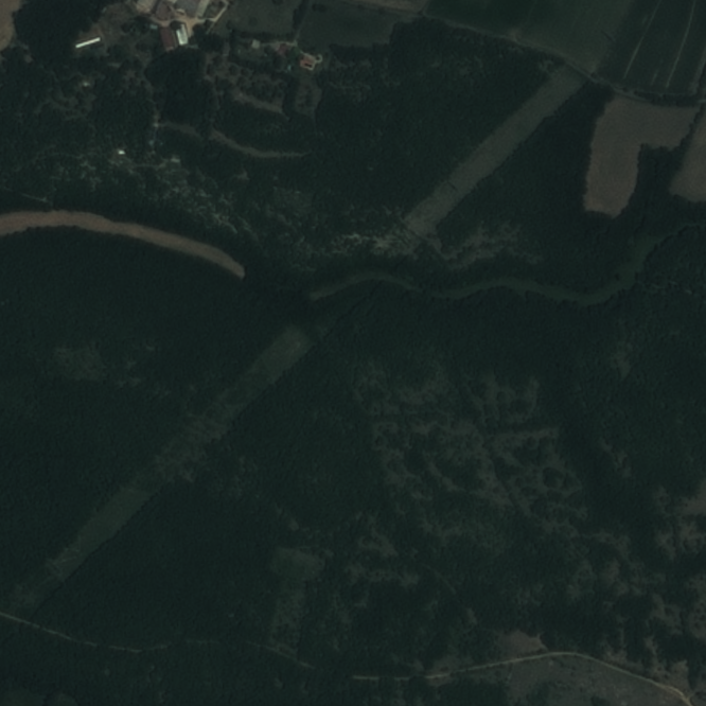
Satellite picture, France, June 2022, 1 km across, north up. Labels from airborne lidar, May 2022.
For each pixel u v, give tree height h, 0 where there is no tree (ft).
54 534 38
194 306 33
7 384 21
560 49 0
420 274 37
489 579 19
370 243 19
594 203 0
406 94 32
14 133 42
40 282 31
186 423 31
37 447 23
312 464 29
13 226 0
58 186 28
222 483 20
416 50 24
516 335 38
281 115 30
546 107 0
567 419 40
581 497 26
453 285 46
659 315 40
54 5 56
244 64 24
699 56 0
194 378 29
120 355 27
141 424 26
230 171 23
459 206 26
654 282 49
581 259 29
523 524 31
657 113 0
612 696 0
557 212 37
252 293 46
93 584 35
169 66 41
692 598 27
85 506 33
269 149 32
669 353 34
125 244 37
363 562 21
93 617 40
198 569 39
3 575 34
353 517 18
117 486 27
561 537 24
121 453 32
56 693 30
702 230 53
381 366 22
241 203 27
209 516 32
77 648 35
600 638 26
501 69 32
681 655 28
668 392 38
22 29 49
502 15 0
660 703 0
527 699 21
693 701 0
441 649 32
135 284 34
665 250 44
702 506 0
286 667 33
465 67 18
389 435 24
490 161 0
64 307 34
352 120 40
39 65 36
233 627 31
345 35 0
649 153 39
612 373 33
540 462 28
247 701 36
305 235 18
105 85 28
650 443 28
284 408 34
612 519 21
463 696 30
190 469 20
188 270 33
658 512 20
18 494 23
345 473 28
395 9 0
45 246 34
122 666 33
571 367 37
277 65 32
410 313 28
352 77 33
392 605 30
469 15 0
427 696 27
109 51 37
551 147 39
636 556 22
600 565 31
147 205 32
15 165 26
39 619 35
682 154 33
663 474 34
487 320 39
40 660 38
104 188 24
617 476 25
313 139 30
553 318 37
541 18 0
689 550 25
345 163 30
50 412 22
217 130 24
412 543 35
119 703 27
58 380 24
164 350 26
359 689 31
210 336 35
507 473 22
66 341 34
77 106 32
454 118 30
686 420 28
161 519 33
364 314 21
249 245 26
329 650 23
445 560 23
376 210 24
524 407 30
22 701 0
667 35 0
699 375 42
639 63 0
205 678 26
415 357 19
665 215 38
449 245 22
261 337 35
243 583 32
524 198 28
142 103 29
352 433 31
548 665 0
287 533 27
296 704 24
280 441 26
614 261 48
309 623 26
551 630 31
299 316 28
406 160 26
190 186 24
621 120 0
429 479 34
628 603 27
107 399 24
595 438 32
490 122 42
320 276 38
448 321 41
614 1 0
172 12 0
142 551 38
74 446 25
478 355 36
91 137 23
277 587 32
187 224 32
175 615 38
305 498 32
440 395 17
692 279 29
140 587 36
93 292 33
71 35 43
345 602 20
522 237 21
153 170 23
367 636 28
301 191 26
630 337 32
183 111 34
